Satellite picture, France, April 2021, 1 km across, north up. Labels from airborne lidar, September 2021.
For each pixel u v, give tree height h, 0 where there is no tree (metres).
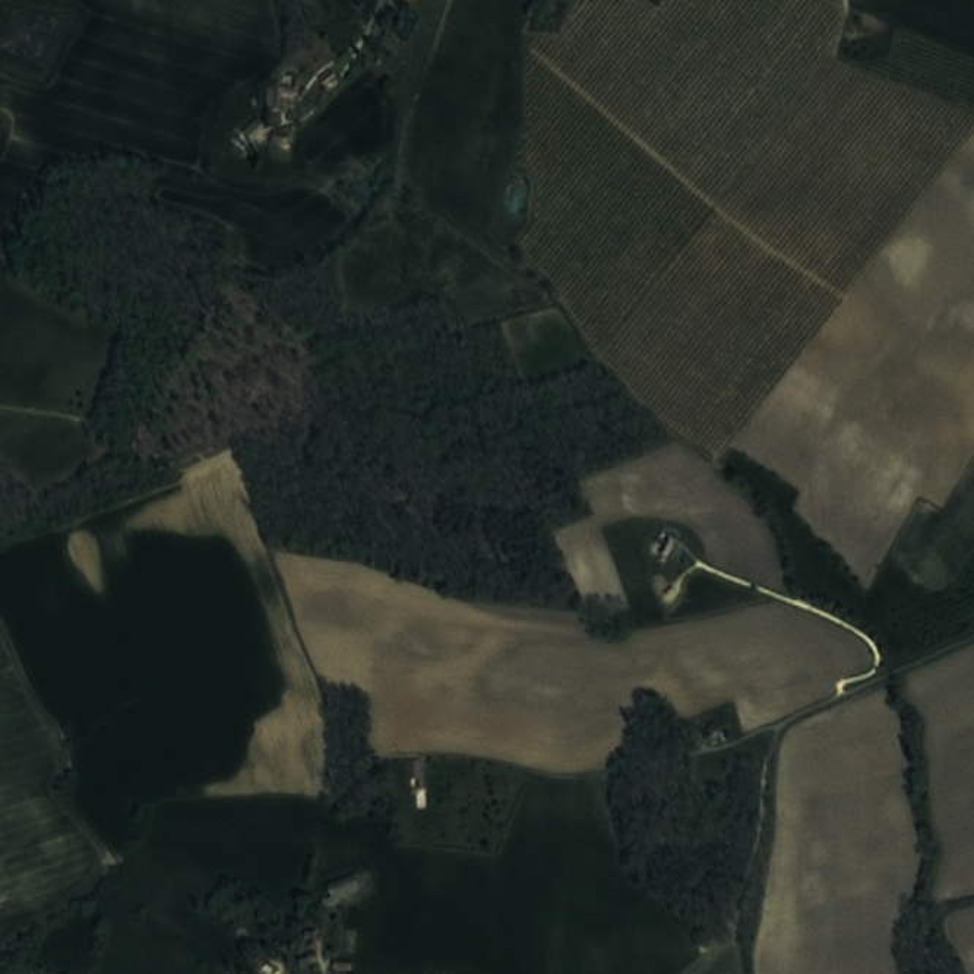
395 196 18
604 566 0
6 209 0
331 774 17
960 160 0
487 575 16
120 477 15
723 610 0
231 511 0
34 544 0
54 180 19
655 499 0
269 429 13
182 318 25
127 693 0
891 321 0
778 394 0
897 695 13
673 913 18
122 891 0
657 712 18
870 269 0
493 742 0
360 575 0
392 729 0
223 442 21
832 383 0
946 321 0
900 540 0
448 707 0
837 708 0
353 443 12
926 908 13
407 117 0
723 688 0
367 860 0
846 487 0
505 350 6
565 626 0
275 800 0
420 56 0
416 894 0
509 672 0
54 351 0
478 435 21
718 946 14
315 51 19
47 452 0
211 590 0
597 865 0
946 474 0
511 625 0
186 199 0
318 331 21
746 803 19
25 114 0
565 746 0
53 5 0
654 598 0
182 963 0
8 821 0
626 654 0
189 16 0
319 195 0
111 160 22
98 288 22
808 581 0
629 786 20
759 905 18
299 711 0
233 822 0
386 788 17
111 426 18
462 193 0
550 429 26
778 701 0
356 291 0
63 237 26
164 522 0
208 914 9
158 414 25
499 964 0
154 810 0
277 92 0
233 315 27
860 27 0
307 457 9
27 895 0
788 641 0
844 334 0
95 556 0
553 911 0
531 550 13
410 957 0
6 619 0
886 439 0
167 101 0
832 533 0
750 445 0
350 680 0
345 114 0
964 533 0
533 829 0
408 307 13
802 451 0
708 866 20
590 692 0
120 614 0
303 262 0
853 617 13
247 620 0
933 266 0
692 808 18
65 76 0
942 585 0
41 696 0
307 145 0
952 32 0
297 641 0
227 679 0
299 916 11
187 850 0
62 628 0
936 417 0
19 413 0
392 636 0
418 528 20
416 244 0
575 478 19
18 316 0
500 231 0
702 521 0
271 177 0
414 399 11
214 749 0
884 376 0
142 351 26
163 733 0
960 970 19
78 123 0
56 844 0
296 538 20
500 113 0
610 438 23
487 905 0
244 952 17
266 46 0
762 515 16
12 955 14
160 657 0
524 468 13
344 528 21
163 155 0
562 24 15
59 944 0
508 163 0
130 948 0
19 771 0
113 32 0
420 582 19
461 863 0
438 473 15
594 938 0
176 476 22
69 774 8
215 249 15
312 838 0
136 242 22
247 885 0
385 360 23
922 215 0
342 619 0
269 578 0
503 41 0
